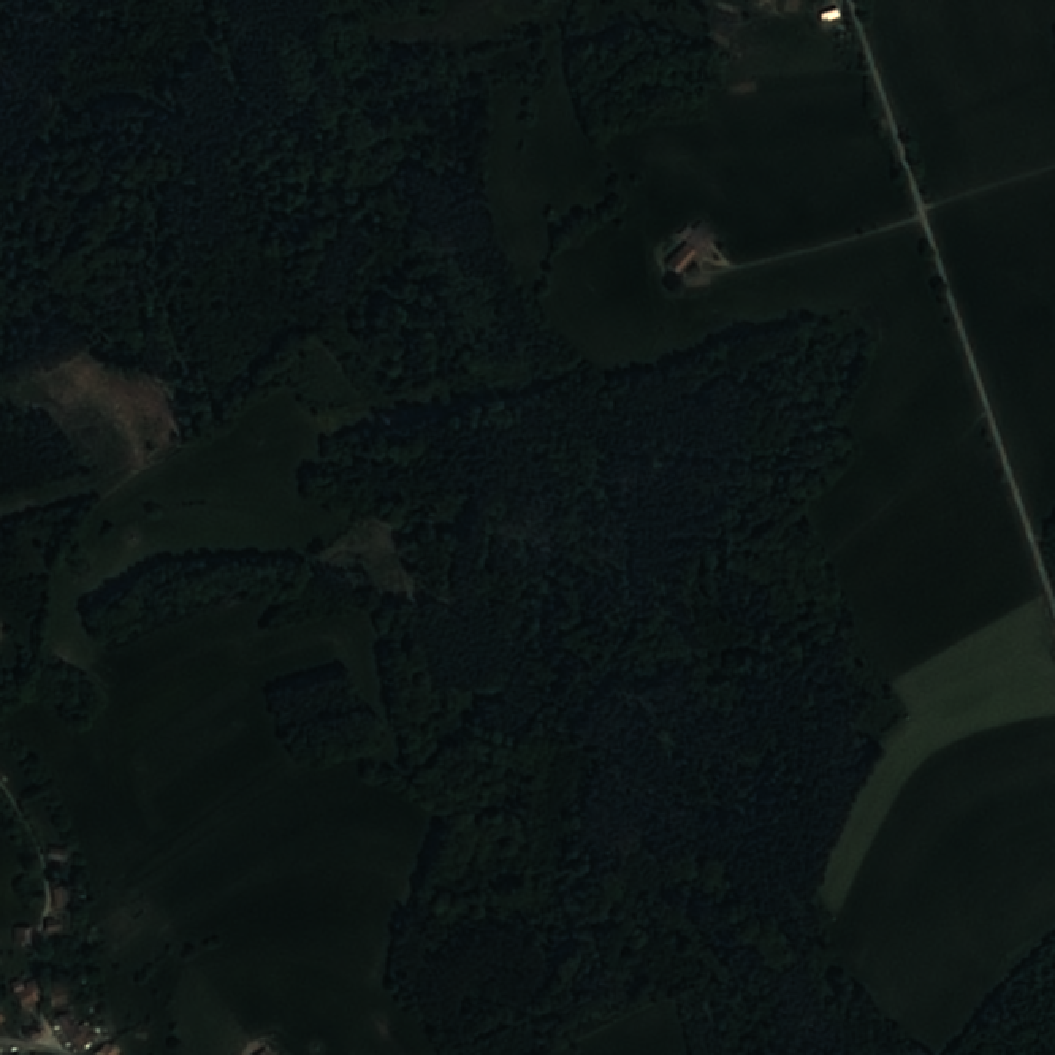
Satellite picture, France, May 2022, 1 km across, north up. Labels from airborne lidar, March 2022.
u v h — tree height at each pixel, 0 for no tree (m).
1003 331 0
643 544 31
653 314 0
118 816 0
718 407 30
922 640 0
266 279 14
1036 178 0
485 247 28
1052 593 0
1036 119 0
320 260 24
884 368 0
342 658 0
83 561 20
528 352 21
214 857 0
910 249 0
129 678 0
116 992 0
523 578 19
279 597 21
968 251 0
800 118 0
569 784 6
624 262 0
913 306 0
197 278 14
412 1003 17
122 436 0
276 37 26
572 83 16
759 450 27
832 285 0
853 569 0
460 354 27
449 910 18
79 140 10
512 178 0
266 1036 0
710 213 0
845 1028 18
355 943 0
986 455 0
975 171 0
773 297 0
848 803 21
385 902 0
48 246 30
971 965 0
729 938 35
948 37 0
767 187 0
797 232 0
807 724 30
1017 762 0
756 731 30
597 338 0
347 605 13
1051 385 0
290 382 19
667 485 31
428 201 35
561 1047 6
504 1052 11
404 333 11
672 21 0
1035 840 0
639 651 20
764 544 32
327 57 25
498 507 30
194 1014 0
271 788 0
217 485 0
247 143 20
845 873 0
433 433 30
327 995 0
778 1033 26
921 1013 0
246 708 0
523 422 23
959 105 0
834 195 0
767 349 18
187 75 29
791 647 33
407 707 31
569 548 28
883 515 0
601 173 0
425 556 26
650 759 26
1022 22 0
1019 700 0
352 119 26
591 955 32
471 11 0
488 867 12
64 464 16
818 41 0
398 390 19
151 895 0
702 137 0
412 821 0
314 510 0
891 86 0
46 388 0
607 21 0
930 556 0
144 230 18
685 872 27
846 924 0
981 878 0
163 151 26
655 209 0
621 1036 0
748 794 16
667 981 11
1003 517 0
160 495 0
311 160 19
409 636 18
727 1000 11
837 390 22
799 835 27
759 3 0
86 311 20
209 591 28
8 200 22
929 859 0
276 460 0
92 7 24
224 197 25
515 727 20
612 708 29
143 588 23
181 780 0
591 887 31
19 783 0
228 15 26
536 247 0
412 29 0
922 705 0
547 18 0
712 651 10
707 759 18
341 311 10
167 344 11
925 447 0
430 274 6
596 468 20
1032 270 0
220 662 0
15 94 28
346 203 30
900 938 0
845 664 9
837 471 23
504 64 0
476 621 21
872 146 0
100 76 5
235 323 17
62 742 0
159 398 0
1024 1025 10
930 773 0
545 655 32
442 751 32
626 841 26
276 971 0
